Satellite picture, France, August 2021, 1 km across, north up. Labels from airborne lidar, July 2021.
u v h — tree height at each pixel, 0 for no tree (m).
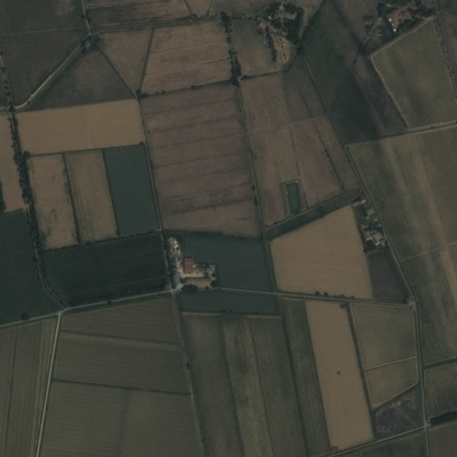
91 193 0
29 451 0
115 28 0
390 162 0
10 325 0
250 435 0
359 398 0
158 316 0
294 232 0
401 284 0
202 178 0
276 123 0
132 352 0
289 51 0
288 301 0
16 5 0
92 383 0
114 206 5
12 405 0
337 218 0
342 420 0
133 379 0
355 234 0
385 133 0
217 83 0
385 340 0
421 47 0
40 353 0
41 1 0
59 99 0
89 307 0
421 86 0
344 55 0
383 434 0
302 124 0
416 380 0
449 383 0
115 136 0
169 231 8
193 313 0
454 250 0
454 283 0
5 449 0
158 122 0
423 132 0
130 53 0
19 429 0
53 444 0
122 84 0
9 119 9
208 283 0
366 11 0
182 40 0
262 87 0
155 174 0
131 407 0
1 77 0
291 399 0
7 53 0
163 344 0
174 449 0
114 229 0
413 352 0
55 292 8
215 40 0
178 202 0
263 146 0
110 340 0
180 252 0
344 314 0
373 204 0
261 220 0
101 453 0
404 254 0
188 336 0
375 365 0
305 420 0
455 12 0
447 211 0
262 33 12
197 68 0
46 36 0
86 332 0
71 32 0
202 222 0
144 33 0
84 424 0
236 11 0
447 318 0
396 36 7
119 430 0
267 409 0
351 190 0
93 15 0
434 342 0
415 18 10
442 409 0
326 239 0
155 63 0
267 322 0
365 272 0
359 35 0
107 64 0
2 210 12
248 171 0
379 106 0
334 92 0
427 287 0
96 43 9
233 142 0
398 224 0
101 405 0
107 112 0
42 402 0
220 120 0
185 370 0
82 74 0
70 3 0
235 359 0
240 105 0
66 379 0
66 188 0
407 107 0
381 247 7
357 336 0
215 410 0
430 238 0
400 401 0
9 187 0
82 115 0
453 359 0
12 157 0
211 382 0
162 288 12
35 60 0
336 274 0
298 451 0
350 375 0
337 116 0
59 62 0
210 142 0
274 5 8
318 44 0
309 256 0
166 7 0
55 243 0
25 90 0
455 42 0
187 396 0
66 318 0
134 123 0
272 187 0
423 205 0
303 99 0
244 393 0
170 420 0
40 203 0
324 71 0
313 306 0
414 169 0
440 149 0
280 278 0
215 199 0
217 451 0
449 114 0
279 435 0
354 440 0
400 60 0
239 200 0
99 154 0
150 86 0
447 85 0
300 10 8
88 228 0
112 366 0
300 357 0
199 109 0
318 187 0
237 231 0
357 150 0
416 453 0
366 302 0
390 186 0
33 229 9
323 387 0
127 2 0
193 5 0
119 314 0
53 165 0
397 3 24
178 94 0
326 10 0
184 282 16
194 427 0
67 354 0
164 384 0
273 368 0
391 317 0
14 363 0
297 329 0
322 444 0
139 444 0
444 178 0
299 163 0
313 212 0
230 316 0
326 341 0
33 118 0
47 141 0
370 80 0
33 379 0
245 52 0
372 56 0
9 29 0
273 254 0
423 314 0
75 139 0
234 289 0
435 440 0
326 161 0
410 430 0
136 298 0
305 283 0
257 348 0
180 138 0
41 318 0
